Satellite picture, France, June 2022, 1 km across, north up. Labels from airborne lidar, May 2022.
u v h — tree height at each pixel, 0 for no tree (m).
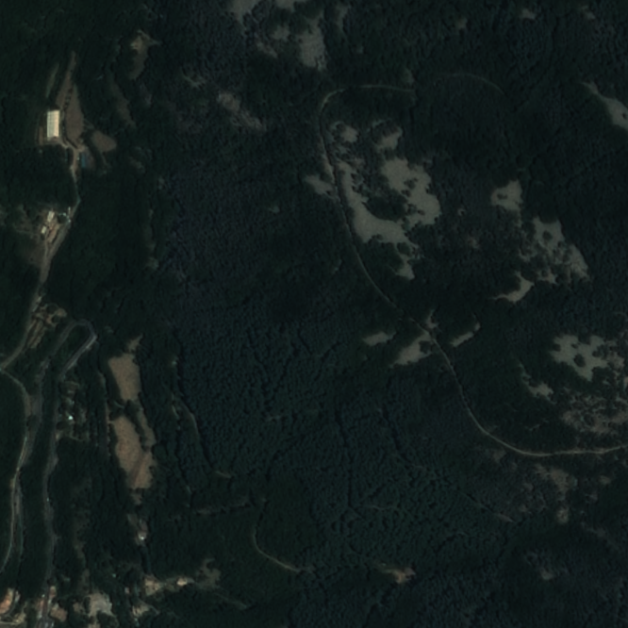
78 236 11
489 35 28
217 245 11
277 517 12
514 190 0
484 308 20
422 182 0
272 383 26
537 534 25
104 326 7
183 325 18
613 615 17
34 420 11
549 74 19
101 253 12
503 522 23
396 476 25
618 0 26
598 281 12
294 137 13
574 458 11
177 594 14
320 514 27
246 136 10
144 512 33
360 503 27
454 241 18
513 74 25
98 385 14
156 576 11
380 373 12
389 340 9
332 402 27
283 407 34
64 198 9
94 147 8
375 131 12
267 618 19
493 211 13
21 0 18
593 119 20
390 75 10
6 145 16
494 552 33
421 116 20
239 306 16
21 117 16
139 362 13
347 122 10
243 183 14
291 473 30
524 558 6
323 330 25
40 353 12
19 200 10
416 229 10
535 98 22
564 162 18
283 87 7
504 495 19
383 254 11
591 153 11
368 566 30
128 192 23
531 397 10
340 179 7
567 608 14
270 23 11
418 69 14
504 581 16
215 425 25
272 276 20
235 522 16
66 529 21
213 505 23
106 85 12
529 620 17
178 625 8
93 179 11
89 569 9
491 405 17
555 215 7
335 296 12
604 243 18
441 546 16
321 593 27
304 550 9
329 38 13
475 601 31
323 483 29
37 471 11
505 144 5
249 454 23
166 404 9
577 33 17
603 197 15
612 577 15
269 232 20
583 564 21
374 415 16
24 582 20
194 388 27
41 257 0
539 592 15
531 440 17
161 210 9
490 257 18
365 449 28
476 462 13
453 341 11
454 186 18
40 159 11
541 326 16
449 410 12
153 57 16
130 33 10
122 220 24
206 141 9
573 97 17
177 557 11
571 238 16
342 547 27
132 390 0
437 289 21
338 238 15
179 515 19
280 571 14
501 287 18
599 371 10
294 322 14
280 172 17
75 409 11
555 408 8
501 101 10
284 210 10
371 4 23
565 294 13
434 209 0
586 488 12
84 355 21
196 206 13
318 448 27
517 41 23
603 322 16
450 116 19
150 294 7
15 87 12
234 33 18
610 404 13
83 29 11
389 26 19
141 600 11
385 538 30
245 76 15
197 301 16
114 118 15
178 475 13
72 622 13
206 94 10
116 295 14
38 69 10
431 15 24
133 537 12
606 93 17
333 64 15
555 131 14
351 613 31
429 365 12
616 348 7
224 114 11
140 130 13
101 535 22
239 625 18
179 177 17
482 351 15
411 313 16
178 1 10
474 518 32
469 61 9
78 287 13
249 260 20
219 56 22
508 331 16
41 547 10
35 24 13
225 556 7
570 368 9
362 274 9
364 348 13
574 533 13
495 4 20
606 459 13
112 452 13
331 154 8
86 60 20
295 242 16
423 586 30
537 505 15
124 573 8
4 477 11
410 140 13
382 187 8
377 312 19
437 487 29
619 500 20
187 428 10
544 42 35
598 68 18
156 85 7
